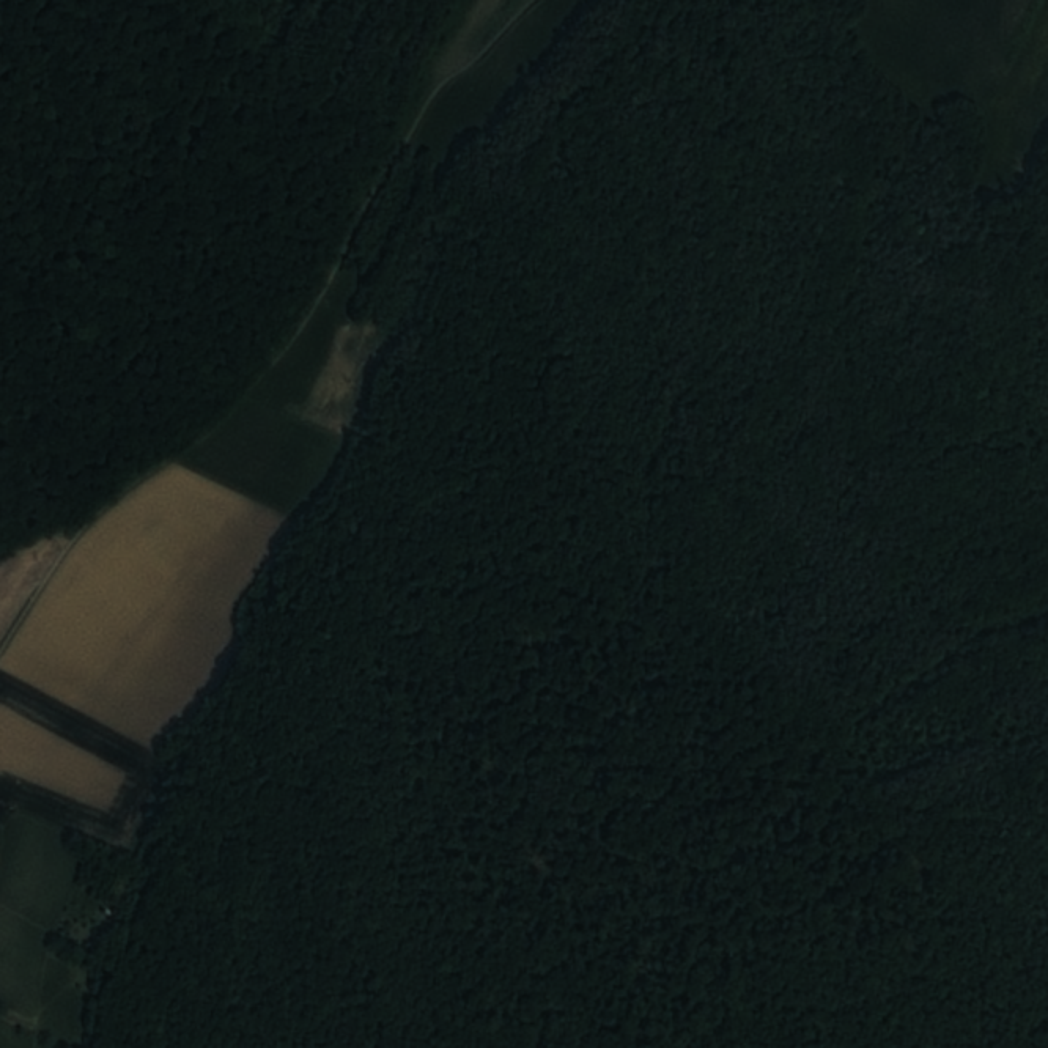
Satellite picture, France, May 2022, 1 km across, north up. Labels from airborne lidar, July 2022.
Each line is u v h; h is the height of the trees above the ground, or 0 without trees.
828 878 24
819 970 13
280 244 25
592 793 22
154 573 0
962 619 18
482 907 20
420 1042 18
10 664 0
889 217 17
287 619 23
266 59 23
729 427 17
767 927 19
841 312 16
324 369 0
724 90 15
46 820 0
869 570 20
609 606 19
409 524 19
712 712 22
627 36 23
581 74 26
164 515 0
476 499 19
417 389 17
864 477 17
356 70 26
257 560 0
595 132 15
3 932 0
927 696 21
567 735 21
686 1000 15
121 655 0
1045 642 23
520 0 0
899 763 17
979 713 18
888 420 13
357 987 17
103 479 28
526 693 25
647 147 17
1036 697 21
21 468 26
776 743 24
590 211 19
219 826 16
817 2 17
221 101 26
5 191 31
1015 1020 18
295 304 16
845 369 13
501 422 19
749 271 14
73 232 26
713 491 18
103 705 0
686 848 24
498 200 24
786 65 14
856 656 22
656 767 20
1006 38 0
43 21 29
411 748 12
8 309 26
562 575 22
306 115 23
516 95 18
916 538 18
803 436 14
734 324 13
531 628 26
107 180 31
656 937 22
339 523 23
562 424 21
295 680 20
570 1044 16
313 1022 18
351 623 18
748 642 19
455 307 20
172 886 19
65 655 0
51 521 24
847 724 19
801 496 17
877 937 19
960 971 14
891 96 22
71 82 29
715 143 18
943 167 18
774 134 12
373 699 18
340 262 12
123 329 27
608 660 26
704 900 24
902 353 17
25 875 0
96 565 0
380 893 14
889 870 27
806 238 19
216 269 25
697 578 18
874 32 0
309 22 22
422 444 19
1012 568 16
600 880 22
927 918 13
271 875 14
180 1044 17
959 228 22
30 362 31
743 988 13
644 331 16
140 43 29
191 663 0
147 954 20
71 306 28
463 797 21
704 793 20
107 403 26
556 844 20
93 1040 20
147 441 26
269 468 0
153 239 25
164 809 20
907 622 22
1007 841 21
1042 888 14
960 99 18
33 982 0
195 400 22
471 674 19
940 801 21
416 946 12
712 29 15
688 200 15
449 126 0
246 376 17
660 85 18
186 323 23
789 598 23
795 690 26
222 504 0
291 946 17
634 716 6
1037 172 24
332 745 17
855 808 24
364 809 17
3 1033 0
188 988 16
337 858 20
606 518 18
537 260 21
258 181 24
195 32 24
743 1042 10
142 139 24
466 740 18
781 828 25
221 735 23
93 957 21
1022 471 19
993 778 24
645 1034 19
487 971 15
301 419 0
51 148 30
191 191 30
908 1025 15
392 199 9
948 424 17
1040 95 0
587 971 17
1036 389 11
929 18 0
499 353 17
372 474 20
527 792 19
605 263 19
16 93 28
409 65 24
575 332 19
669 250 18
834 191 16
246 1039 18
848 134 22
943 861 24
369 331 0
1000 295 20
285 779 18
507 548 20
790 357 14
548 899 19
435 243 15
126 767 0
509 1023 20
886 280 18
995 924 19
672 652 23
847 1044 20
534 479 22
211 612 0
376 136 26
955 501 18
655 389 17
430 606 23
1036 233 21
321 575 23
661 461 16
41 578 0
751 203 15
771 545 18
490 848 16
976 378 17
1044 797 23
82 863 11
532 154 25
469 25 0
